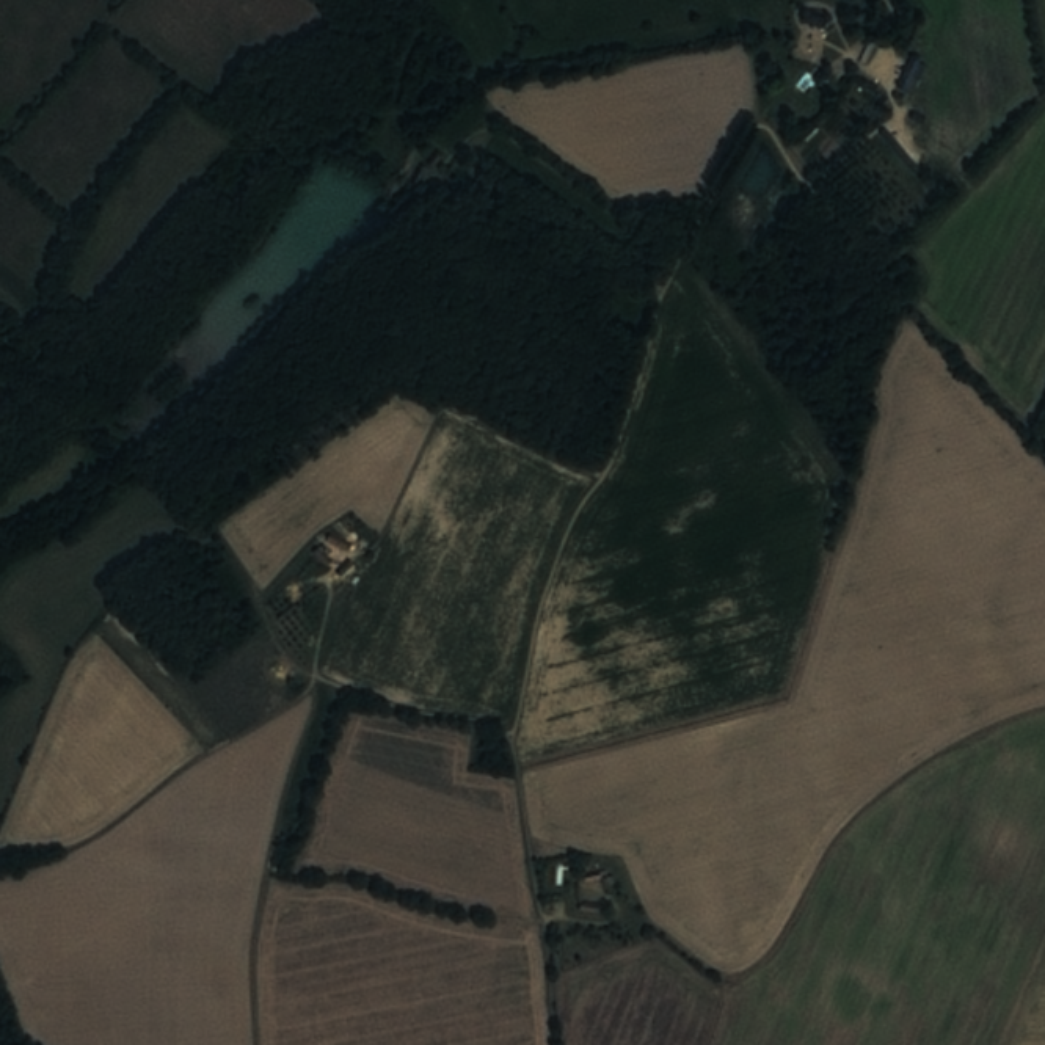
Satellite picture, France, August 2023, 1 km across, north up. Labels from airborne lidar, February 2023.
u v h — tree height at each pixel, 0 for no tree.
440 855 0
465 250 26
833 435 10
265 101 21
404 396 17
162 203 0
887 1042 0
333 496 0
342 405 20
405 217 19
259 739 0
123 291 23
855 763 0
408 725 10
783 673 0
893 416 0
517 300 24
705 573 0
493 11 0
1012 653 0
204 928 0
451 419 0
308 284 13
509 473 0
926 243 0
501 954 0
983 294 0
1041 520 0
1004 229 0
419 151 10
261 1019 0
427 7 19
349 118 15
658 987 0
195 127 0
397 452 0
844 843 0
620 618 0
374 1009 0
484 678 0
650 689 0
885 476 0
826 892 0
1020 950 0
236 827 0
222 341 0
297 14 0
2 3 0
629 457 0
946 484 0
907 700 0
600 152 0
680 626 0
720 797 0
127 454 21
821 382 29
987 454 0
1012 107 0
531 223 27
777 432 0
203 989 0
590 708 0
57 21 0
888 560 0
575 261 20
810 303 13
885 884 0
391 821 0
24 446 21
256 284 0
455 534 0
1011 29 0
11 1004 13
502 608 0
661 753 0
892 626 0
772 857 0
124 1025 0
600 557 0
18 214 0
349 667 0
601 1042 0
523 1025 0
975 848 0
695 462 0
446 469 0
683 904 0
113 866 0
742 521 0
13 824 0
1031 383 0
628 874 0
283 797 0
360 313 27
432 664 0
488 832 0
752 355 0
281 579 0
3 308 5
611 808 0
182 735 0
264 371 25
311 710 0
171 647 19
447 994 0
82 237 18
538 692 0
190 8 0
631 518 0
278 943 0
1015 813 0
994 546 0
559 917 0
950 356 17
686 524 0
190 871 0
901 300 20
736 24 0
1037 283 0
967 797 0
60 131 0
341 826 0
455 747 0
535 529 0
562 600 0
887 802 0
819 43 0
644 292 20
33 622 0
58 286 19
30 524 21
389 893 16
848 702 0
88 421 20
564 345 23
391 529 0
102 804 0
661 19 0
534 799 0
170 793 0
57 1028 0
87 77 0
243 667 0
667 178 0
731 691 0
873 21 18
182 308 19
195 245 19
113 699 0
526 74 13
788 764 0
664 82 0
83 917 0
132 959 0
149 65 15
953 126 0
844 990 0
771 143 0
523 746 0
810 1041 0
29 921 0
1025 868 0
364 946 0
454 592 0
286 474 18
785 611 0
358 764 0
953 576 0
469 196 22
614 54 14
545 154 12
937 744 0
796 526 0
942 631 0
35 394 24
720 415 0
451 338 22
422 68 7
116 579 17
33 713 0
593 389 24
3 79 0
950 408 0
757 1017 0
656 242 26
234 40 0
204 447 26
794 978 0
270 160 25
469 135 0
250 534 0
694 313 0
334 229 0
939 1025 0
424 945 0
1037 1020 0
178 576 18
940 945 0
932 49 0
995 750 0
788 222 21
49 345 19
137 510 0
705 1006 0
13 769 0
